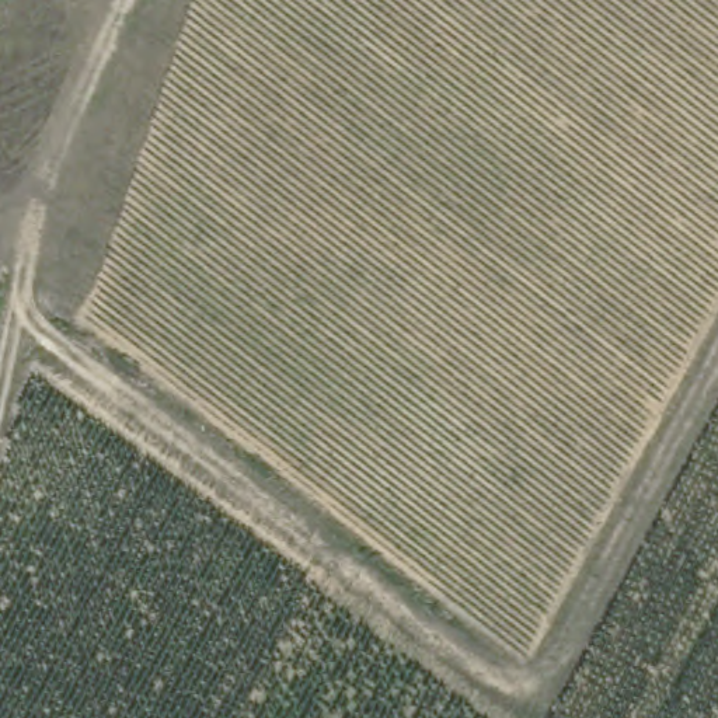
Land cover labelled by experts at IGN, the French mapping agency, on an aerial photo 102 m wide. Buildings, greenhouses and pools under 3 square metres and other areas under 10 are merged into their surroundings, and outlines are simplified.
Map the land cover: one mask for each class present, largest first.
<instances>
[{"label":"vineyard","instance_id":"1","mask_svg":"<svg viewBox=\"0 0 718 718\"><path fill-rule=\"evenodd\" d=\"M109 255L104 258L93 289L76 311V325L93 331L109 348L137 362L140 370L149 373L165 393L191 407L196 415H202L241 449L258 454L292 488L317 502L345 530L362 539L387 564H393L426 595H432L446 611L460 617L468 628H474L480 637L494 642L508 656L530 659L544 642L550 623L555 620L569 586L575 583L597 533L603 530L606 519L620 502L623 485L637 468L670 398L676 395L684 373L690 370L701 342L707 339L718 317V0H194L188 8L185 28L174 48V62L165 76L157 112L149 123L146 140L137 154V171L129 182L121 219L109 238ZM3 435L8 440V463H0V718H482L468 698L449 690L429 668L409 659L407 653H398L395 645L384 642L367 623H353L351 609L339 606L337 597H328L314 581L306 578V572L297 564L283 558L272 544L261 541L250 527L222 513L210 499L199 496L191 485L165 471L154 457L137 452L135 443L112 432L95 415H90L87 407L59 393L53 384H48V379L34 373L25 390L20 393L17 418L3 421ZM544 718H718V398L710 407V415L704 418L698 432L690 438L684 460L673 471L670 485L653 496V519L645 530V539L634 550L625 572L620 575L611 597L606 600L600 620L592 625V634L583 642L581 653L567 665L561 687L550 698Z\"/></svg>","mask_w":718,"mask_h":718},{"label":"herbaceous vegetation","instance_id":"2","mask_svg":"<svg viewBox=\"0 0 718 718\"><path fill-rule=\"evenodd\" d=\"M194 0H135L118 34V48L104 67L101 84L73 137L70 160L59 171L56 188H50L34 174L36 143L45 121L53 112V104L59 101V90L70 93V87L76 84L112 0H0V323L11 294L20 224L28 202L36 199L45 205V227L39 238V258L34 275V306L45 314V320L53 328L76 339L95 362L107 365L112 373L123 379L115 390L104 393L87 379H81L76 370H70L65 362H59L50 351L36 345L28 331H22L20 337L14 373L0 370V463H8V440L3 435V421L17 418L20 393L25 390L34 373L48 379V384H53L59 393L87 407L90 415H95L112 432L135 443L137 452L154 457L165 471L191 485L199 496L210 499L222 513L250 527L261 541L272 544L283 558L297 564L306 572V578L314 581L328 597H337L339 606L351 609L353 623H367L384 642L395 645L398 653H407L409 659L429 668L449 690L468 698L482 718H544L550 698L561 687L567 665L581 653L583 642L592 634V625L600 620L606 600L611 597L620 575L625 572L634 550L645 539V530L653 519V496L670 485L673 471L684 460L690 438L698 432L704 418L710 415V407L718 398V317L707 339L701 342L690 370L684 373L676 395L670 398L637 468L623 485L620 502L606 519L603 530L597 533L575 583L569 586L555 620L550 623L544 642L530 659L508 656L494 642L480 637L474 628H468L460 617L446 611L432 595H426L393 564H387L362 539L345 530L317 502L292 488L258 454L241 449L202 415H196L191 407L165 393L149 373L140 370L137 362L109 348L93 331L76 325V311L93 289L104 258L109 255V238L121 219L129 182L137 171V154L146 140L149 123L157 112L165 76L174 62V48L185 28L188 8Z\"/></svg>","mask_w":718,"mask_h":718},{"label":"pervious surface","instance_id":"3","mask_svg":"<svg viewBox=\"0 0 718 718\"><path fill-rule=\"evenodd\" d=\"M135 0H112L76 84L70 87V93L59 90V101L53 104V112L45 121L36 143L34 174L50 188H56L59 171L70 160L73 137L101 84L104 67L118 48V34ZM45 227V205L36 199L28 202L20 224L11 294L0 323V370L14 373L20 337L22 331H28L36 345L50 351L59 362H65L70 370H76L81 379H87L104 393L115 390L123 379L112 373L107 365L95 362L76 339L53 328L45 320V314L34 306V275L39 258V238Z\"/></svg>","mask_w":718,"mask_h":718}]
</instances>
